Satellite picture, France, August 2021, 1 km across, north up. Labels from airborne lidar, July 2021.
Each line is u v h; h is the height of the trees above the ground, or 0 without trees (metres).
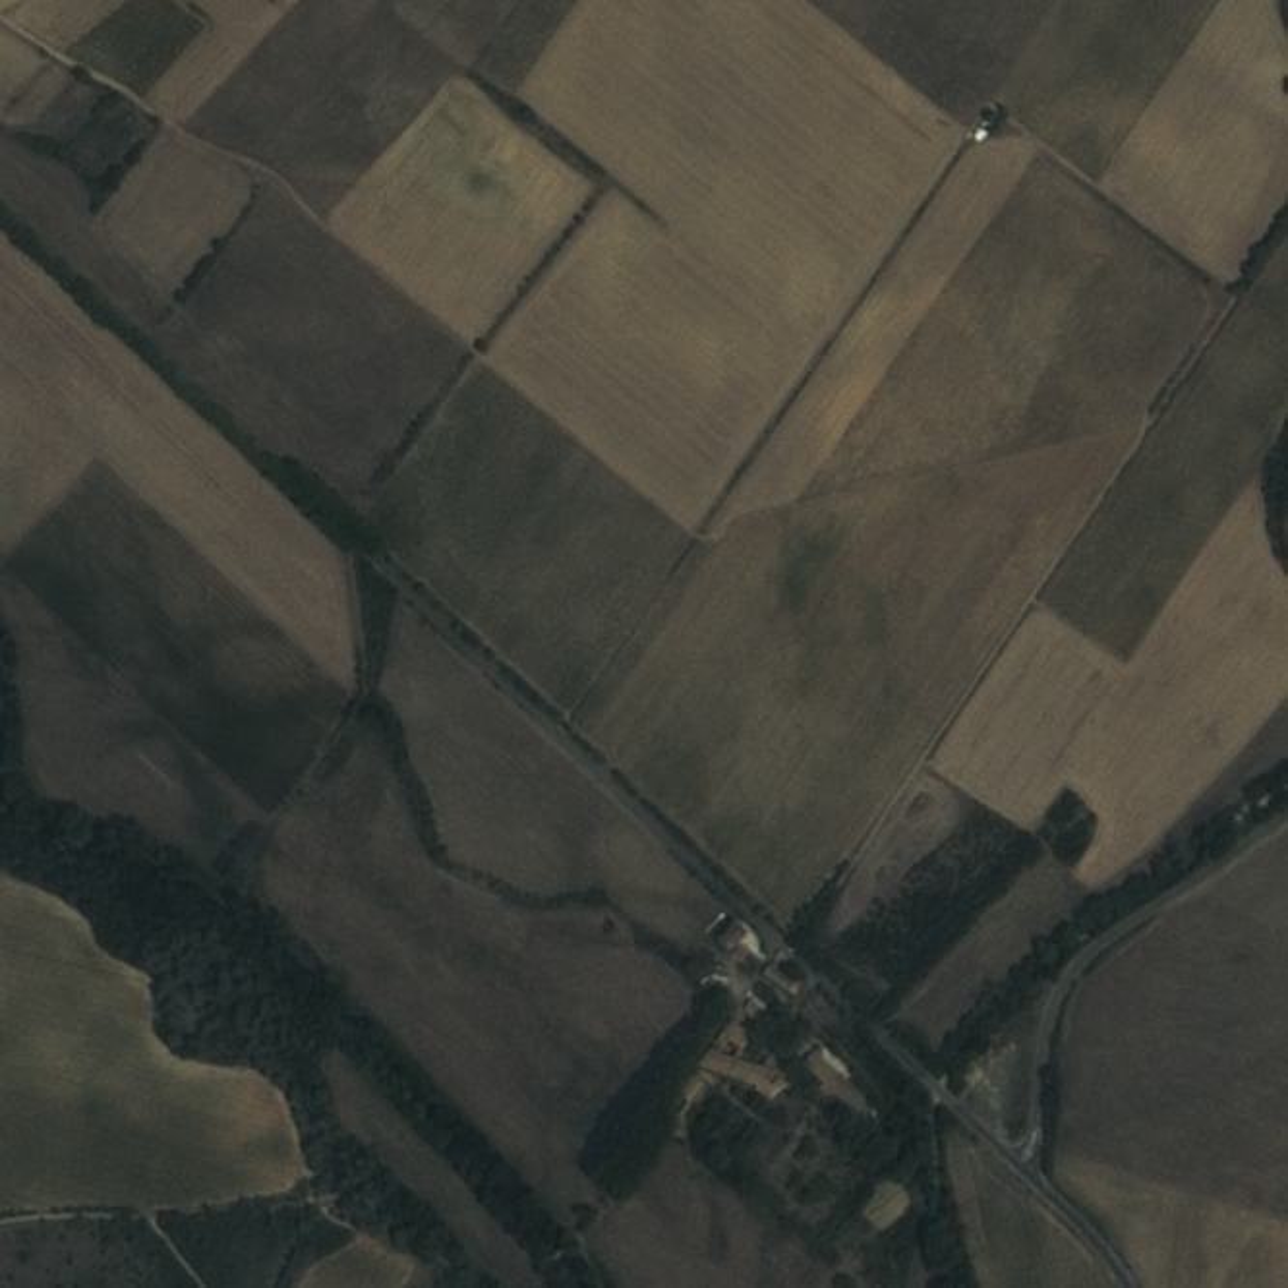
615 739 0
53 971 0
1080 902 0
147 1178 0
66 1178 0
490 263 0
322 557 0
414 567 0
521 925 0
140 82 0
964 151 0
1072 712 0
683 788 0
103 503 0
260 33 0
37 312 0
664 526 0
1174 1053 0
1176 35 0
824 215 0
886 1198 0
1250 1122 0
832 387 0
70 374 0
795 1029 24
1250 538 0
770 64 0
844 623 0
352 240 0
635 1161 41
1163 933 0
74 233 0
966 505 0
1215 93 0
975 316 0
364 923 0
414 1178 0
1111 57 0
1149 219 0
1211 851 15
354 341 0
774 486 0
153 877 15
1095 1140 0
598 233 0
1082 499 0
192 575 0
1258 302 0
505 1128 0
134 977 0
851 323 0
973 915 8
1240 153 0
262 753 0
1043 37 0
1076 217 0
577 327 0
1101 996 0
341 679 0
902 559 0
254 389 0
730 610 0
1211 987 0
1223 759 0
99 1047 0
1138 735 0
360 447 0
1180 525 0
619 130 0
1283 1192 0
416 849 0
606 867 0
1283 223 13
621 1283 0
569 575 0
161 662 0
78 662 0
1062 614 0
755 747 0
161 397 0
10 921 0
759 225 0
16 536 0
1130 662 0
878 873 0
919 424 0
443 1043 0
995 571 0
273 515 0
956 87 0
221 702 0
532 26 0
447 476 0
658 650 0
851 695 0
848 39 0
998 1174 0
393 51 0
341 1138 20
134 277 0
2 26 0
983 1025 18
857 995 10
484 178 0
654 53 0
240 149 0
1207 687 0
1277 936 0
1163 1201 0
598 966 0
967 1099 0
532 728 0
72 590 0
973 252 0
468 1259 18
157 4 0
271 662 0
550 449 0
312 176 0
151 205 0
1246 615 0
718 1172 6
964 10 0
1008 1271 0
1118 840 0
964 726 0
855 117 0
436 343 0
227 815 0
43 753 0
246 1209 11
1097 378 0
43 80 0
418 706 0
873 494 0
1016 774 0
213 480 0
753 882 0
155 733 0
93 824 6
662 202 0
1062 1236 0
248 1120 0
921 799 0
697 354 0
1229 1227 0
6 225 25
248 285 0
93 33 0
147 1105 0
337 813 0
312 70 0
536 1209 23
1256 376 0
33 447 0
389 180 0
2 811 16
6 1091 0
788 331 0
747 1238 0
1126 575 0
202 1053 17
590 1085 0
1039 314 0
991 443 0
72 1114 0
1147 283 0
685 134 0
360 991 0
